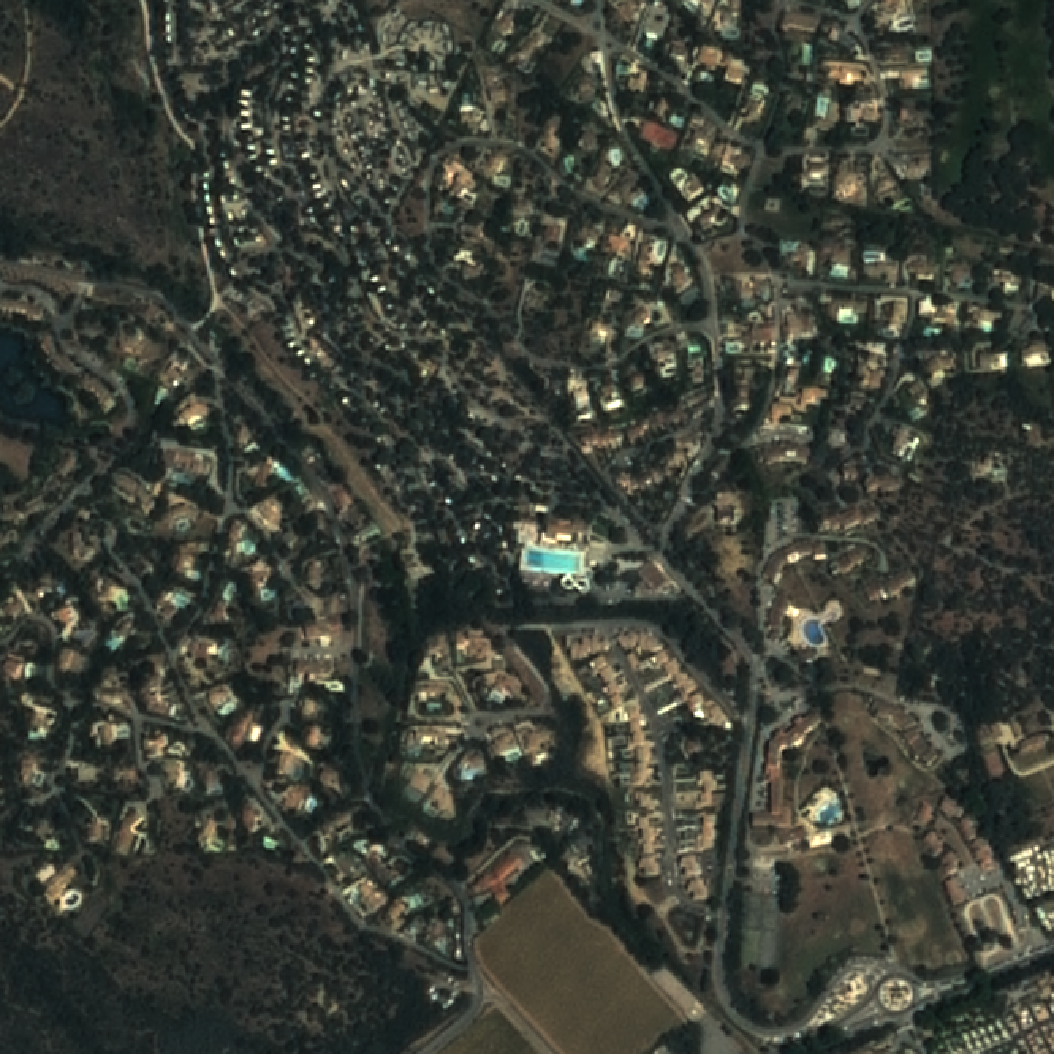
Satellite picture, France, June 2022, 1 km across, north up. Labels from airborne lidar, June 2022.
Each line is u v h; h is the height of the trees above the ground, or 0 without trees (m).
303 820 9
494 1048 0
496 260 7
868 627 6
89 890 5
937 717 10
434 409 7
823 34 9
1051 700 14
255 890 0
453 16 0
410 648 9
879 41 6
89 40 6
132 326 8
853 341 7
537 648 7
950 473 8
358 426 15
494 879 0
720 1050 0
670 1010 0
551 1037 0
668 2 8
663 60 9
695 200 8
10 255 9
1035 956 0
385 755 6
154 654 9
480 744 9
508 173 9
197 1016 9
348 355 8
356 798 7
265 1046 6
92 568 9
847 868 0
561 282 9
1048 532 7
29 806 9
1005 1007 13
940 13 11
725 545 0
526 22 12
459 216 8
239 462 7
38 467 12
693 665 19
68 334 8
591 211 9
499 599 8
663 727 0
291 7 16
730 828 11
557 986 0
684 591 5
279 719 5
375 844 9
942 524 6
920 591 9
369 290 9
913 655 23
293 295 10
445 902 7
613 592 0
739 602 0
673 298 8
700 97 12
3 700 6
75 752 7
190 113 10
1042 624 8
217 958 0
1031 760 0
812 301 11
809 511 11
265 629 10
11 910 6
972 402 7
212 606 7
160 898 8
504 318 6
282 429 7
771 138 15
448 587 13
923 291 10
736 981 7
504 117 7
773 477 0
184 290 10
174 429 12
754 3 9
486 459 11
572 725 6
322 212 14
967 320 14
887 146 0
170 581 9
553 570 0
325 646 0
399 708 20
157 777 8
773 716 14
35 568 9
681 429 8
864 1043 13
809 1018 0
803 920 0
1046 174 9
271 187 13
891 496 6
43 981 7
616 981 0
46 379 6
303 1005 9
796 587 0
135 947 6
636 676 0
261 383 9
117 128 8
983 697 16
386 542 7
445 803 0
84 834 7
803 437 0
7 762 8
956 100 7
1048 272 16
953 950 0
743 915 12
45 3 9
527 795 7
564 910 0
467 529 10
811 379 9
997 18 11
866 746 0
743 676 10
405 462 11
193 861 6
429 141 8
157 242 0
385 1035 6
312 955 8
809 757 0
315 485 0
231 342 11
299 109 8
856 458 7
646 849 0
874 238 13
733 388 20
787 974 0
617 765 0
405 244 14
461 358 9
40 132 0
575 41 8
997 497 14
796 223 0
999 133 11
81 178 6
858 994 0
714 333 0
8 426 20
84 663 0
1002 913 0
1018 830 21
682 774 0
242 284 13
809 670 13
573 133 12
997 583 8
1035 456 6
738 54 6
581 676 0
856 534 0
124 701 0
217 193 10
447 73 6
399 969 10
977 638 10
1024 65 0
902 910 0
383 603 19
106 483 11
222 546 12
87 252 7
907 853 0
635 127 7
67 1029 7
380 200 5
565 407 7
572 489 10
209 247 7
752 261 10
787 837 0
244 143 16
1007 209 12
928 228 13
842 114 8
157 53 8
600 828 7
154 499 5
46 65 0
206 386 7
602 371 6
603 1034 0
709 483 18
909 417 6
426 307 9
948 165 0
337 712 7
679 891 0
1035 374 0
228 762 7
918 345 18
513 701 11
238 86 7
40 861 11
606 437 0
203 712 6
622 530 7
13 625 8
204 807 6
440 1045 0
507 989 0
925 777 0
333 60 6
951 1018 20
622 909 6
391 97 8
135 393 12
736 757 7
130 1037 6
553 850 14
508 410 16
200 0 9
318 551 9
